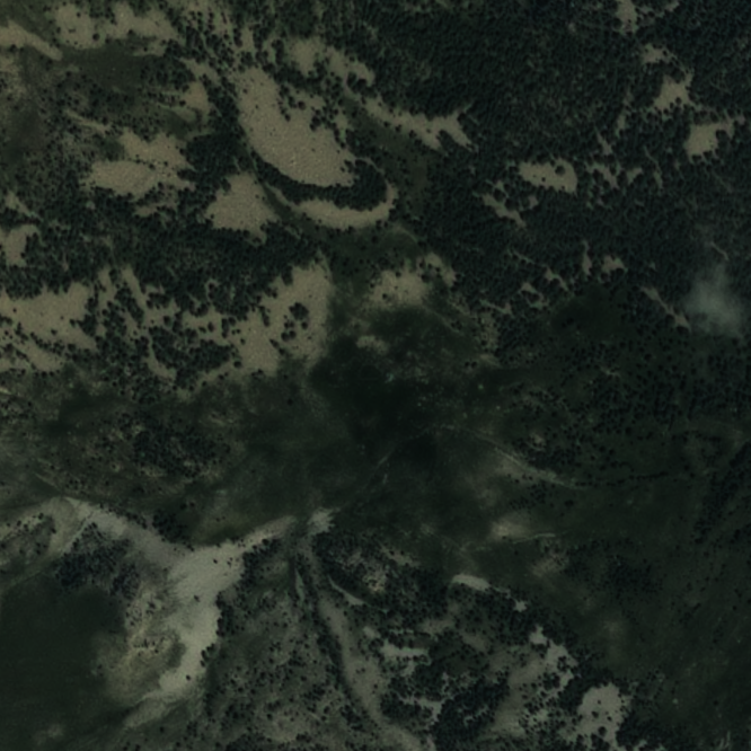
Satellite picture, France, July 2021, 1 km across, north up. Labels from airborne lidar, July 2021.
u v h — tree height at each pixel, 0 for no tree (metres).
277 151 0
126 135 0
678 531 0
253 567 6
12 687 0
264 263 11
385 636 11
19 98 0
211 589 0
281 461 0
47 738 0
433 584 9
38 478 0
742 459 13
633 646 0
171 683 0
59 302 0
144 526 9
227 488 0
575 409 10
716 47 17
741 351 16
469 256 11
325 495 0
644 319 15
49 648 0
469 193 14
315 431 0
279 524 0
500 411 0
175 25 9
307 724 0
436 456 0
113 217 6
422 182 0
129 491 0
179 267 8
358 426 0
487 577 0
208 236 8
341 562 8
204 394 0
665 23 19
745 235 20
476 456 0
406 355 0
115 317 12
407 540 0
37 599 0
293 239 12
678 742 5
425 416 0
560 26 9
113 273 11
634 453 0
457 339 0
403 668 6
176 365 14
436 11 7
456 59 9
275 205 0
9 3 0
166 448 8
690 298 26
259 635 0
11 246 0
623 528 0
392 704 7
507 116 15
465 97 10
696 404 18
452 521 0
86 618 0
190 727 7
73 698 0
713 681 0
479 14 8
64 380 0
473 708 8
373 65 8
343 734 0
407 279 0
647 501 0
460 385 0
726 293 25
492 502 0
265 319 13
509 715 0
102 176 0
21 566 0
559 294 17
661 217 18
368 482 0
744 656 0
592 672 11
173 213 10
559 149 10
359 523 0
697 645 0
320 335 0
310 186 14
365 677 0
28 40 0
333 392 0
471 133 11
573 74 16
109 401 0
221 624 10
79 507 0
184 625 0
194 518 0
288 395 0
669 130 15
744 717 0
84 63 0
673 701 0
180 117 0
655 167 17
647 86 11
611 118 10
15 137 0
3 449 0
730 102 24
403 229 0
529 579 0
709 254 26
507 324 6
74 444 0
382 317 0
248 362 0
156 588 0
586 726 0
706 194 13
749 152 24
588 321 0
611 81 12
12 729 0
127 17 0
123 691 0
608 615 0
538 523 0
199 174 9
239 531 0
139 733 0
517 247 17
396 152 0
